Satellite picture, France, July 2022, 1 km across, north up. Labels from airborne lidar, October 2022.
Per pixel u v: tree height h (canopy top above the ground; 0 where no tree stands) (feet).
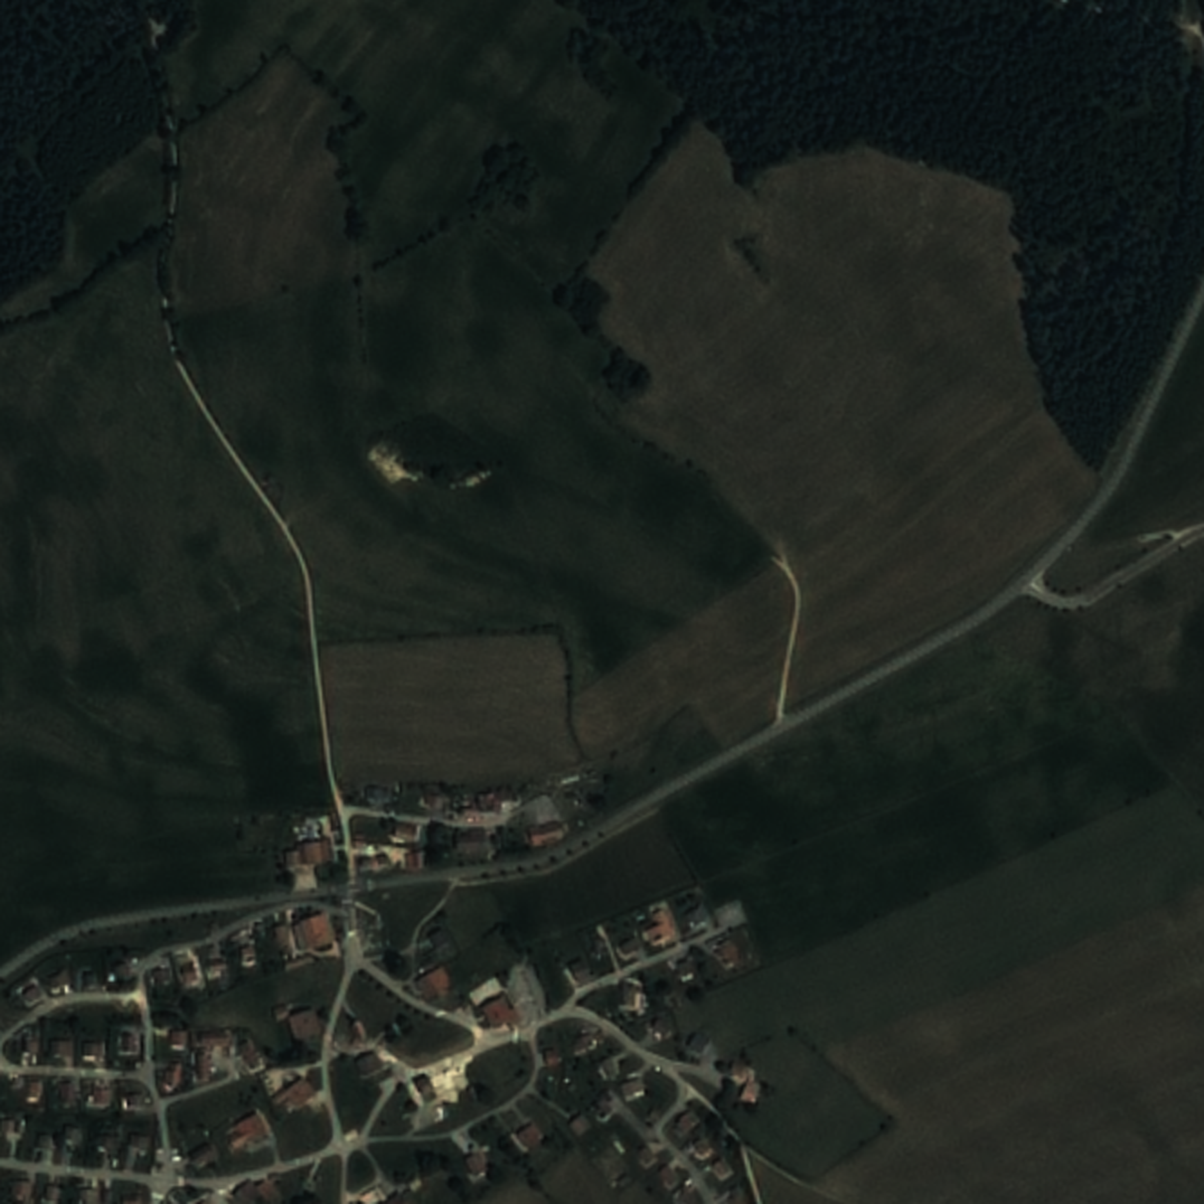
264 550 0
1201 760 0
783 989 0
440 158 0
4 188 68
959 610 0
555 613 0
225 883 0
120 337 0
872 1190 0
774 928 0
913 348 0
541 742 0
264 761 0
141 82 40
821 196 0
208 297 0
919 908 0
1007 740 0
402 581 0
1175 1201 0
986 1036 0
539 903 0
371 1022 0
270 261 0
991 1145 0
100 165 39
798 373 0
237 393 0
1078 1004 0
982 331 0
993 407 0
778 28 97
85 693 0
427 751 0
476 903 0
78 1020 30
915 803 0
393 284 0
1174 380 0
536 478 0
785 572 0
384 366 0
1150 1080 0
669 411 0
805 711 0
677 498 0
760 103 103
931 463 0
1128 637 0
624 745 0
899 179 0
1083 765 0
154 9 52
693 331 0
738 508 0
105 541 0
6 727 0
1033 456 0
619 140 0
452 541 0
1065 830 0
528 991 0
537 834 0
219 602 0
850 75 116
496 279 0
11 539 0
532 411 0
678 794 0
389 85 0
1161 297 62
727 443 0
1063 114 88
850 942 0
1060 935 0
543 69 0
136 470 0
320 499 0
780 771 0
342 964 0
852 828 0
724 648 0
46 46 91
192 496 0
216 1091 0
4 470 0
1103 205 42
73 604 0
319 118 0
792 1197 0
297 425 0
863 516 0
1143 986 0
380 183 0
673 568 0
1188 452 0
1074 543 0
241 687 0
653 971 0
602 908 0
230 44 0
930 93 71
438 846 22
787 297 0
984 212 0
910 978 0
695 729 0
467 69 0
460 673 0
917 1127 0
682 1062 24
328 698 0
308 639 0
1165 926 0
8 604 0
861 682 0
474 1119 0
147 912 0
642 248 0
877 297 0
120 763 0
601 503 0
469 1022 0
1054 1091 0
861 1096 0
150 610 0
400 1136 0
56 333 0
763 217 0
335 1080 0
